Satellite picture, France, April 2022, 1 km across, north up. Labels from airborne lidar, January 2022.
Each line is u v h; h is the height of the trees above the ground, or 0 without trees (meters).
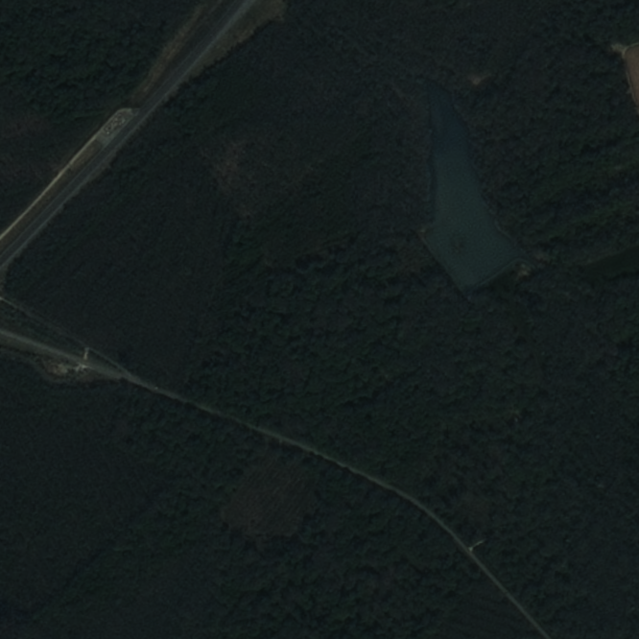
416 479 17
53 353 0
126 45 25
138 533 20
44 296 18
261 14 0
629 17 26
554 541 26
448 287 23
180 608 21
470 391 23
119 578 26
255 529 0
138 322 18
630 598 23
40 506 17
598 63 25
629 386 26
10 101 18
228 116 19
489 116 25
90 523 17
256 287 22
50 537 17
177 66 0
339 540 24
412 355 21
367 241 7
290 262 8
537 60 26
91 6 22
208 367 19
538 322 18
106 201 17
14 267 14
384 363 22
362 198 22
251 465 24
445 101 0
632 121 21
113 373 0
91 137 0
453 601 25
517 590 20
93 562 21
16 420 19
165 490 23
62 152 15
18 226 0
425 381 22
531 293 11
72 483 18
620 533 24
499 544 25
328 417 23
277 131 15
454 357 25
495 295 14
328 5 17
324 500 22
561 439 25
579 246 23
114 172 11
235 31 0
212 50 0
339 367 22
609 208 25
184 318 17
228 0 0
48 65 19
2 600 21
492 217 0
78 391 17
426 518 19
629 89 13
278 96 17
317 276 24
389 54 13
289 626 24
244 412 20
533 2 19
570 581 25
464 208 0
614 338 24
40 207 0
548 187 26
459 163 0
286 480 0
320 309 25
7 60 21
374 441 26
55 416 15
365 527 19
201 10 0
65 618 24
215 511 27
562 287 19
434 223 7
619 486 25
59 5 25
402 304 21
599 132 22
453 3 17
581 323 26
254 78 17
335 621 20
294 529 0
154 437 20
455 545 23
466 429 23
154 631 25
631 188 26
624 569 26
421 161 11
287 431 21
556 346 19
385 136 20
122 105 0
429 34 19
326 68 21
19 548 18
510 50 20
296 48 19
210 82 17
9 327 0
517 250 0
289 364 29
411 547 24
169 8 22
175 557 24
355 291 26
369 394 13
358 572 28
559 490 20
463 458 20
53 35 23
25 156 19
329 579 26
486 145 22
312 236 10
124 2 22
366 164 20
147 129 15
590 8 26
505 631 17
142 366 15
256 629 21
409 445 22
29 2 23
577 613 27
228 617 24
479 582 17
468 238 0
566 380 23
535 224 28
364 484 21
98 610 22
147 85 0
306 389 22
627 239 14
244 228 24
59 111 23
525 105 25
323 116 20
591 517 21
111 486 17
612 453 29
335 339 25
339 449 21
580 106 23
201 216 18
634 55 0
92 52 18
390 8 18
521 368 24
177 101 11
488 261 0
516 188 25
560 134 26
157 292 18
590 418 33
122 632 22
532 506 25
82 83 23
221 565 23
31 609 17
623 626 28
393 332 18
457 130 0
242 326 16
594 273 0
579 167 25
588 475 9
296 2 23
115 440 15
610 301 27
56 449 17
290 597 25
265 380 17
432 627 26
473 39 18
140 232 18
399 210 17
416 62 19
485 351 22
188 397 17
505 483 23
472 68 20
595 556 21
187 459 19
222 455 25
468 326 20
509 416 24
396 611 26
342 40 18
